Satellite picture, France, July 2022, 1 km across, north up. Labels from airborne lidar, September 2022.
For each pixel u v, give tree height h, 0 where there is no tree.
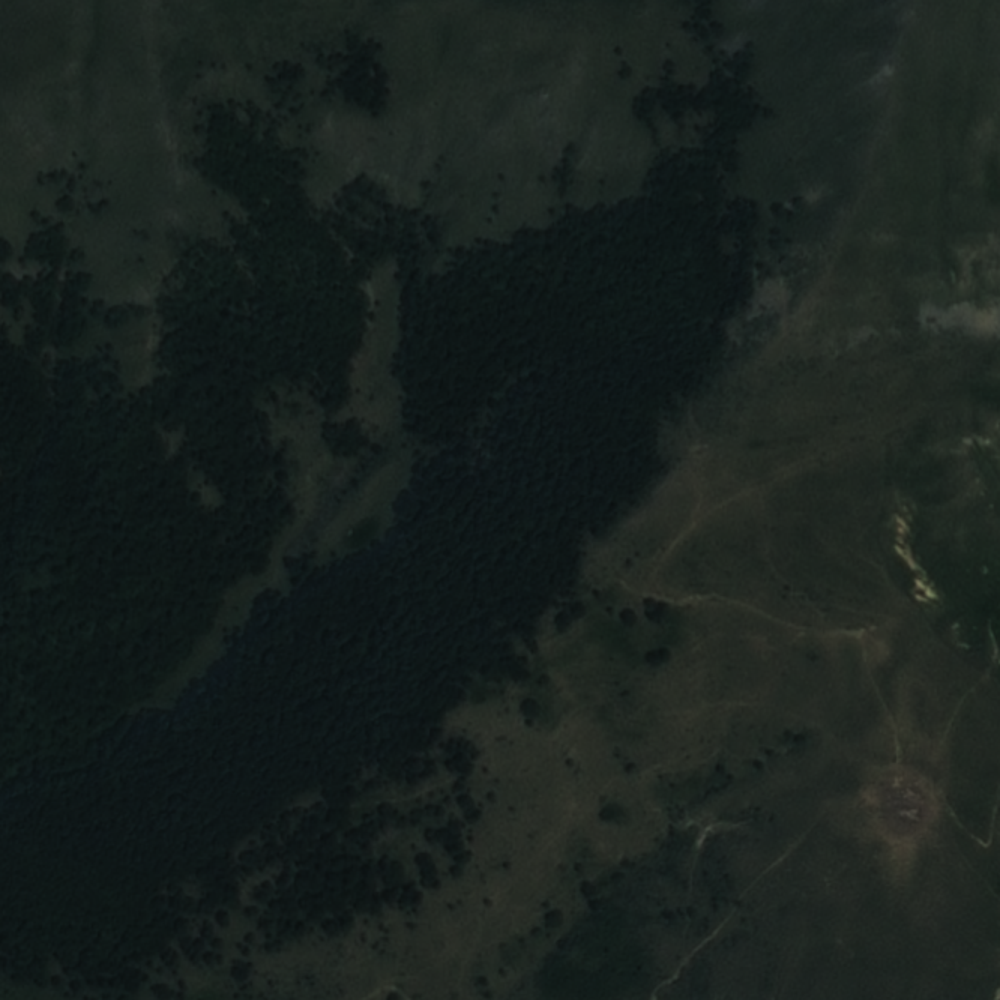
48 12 0
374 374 0
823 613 0
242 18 0
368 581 18
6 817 20
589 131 0
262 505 20
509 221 0
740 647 0
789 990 0
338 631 14
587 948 0
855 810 0
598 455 17
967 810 0
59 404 9
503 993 0
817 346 0
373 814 7
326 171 0
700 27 8
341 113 0
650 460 16
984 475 0
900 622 0
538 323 13
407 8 0
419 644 21
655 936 0
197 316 8
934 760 0
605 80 0
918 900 0
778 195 0
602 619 0
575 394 15
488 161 0
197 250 7
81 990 13
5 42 0
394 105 0
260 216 16
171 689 0
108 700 13
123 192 0
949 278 0
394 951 0
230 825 17
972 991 0
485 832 0
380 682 18
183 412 23
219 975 0
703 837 0
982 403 0
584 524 10
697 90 9
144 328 0
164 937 17
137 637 11
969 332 0
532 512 18
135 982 11
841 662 0
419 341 15
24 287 14
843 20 0
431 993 0
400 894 6
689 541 0
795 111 0
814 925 0
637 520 0
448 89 0
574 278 15
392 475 0
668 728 0
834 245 0
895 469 0
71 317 15
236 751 20
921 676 0
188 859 15
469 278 15
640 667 0
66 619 19
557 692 0
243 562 18
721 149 11
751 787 0
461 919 0
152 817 18
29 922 19
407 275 9
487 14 0
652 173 8
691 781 0
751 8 0
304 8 0
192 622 18
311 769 18
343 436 15
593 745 0
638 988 0
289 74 9
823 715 0
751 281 7
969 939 0
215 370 23
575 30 0
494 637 16
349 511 0
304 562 6
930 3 0
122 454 14
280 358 11
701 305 15
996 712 0
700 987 0
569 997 0
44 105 0
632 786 0
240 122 9
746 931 0
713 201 12
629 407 18
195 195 0
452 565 17
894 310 0
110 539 19
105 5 0
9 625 16
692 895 0
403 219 14
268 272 12
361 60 9
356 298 14
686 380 11
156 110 0
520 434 15
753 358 0
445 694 15
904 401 0
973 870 0
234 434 15
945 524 0
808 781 0
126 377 0
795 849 0
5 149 0
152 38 0
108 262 0
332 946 0
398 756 14
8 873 19
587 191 0
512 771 0
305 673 22
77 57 0
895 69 0
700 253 14
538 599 11
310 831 17
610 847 0
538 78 0
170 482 14
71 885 16
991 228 0
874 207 0
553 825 0
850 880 0
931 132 0
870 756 0
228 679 18
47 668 8
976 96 0
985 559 0
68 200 13
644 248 13
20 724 17
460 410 17
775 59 0
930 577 0
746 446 0
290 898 14
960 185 0
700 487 0
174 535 20
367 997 0
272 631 19
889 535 0
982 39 0
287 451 6
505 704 0
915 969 0
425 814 8
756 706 0
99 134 0
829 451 0
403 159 0
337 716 10
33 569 12
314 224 9
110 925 13
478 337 16
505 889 0
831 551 0
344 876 10
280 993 0
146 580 13
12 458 23
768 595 0
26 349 6
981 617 0
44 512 18
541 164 0
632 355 17
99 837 20
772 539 0
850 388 0
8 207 0
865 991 0
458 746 10
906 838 0
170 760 21
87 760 18
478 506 10
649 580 0
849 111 0
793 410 0
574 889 0
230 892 16
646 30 0
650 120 9
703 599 0
